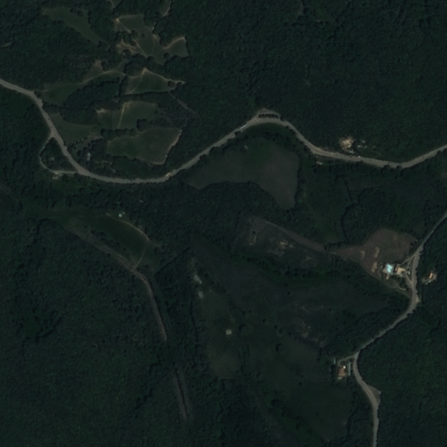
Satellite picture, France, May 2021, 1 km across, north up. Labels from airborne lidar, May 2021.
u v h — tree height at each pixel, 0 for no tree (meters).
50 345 21
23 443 17
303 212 15
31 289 14
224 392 18
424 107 11
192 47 15
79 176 13
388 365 14
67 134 0
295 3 20
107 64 11
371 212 11
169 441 13
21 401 18
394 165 0
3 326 21
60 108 10
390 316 16
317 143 9
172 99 13
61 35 9
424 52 19
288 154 0
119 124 0
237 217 9
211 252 0
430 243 13
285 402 6
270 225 0
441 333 20
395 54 17
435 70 16
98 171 15
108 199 14
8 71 7
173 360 7
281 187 0
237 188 8
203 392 8
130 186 14
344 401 6
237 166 0
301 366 0
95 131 0
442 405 18
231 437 19
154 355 17
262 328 0
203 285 0
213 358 0
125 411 16
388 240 0
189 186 13
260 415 11
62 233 17
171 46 0
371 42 16
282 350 16
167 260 9
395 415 9
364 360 12
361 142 11
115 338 20
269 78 8
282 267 11
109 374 11
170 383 16
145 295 14
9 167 18
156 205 9
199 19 12
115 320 21
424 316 21
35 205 0
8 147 20
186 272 15
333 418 0
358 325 14
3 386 16
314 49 18
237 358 0
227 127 9
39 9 12
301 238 0
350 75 13
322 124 8
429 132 9
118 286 22
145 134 0
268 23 16
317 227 16
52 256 20
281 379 0
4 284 20
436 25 19
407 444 9
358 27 14
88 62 9
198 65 13
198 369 20
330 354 11
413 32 19
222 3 12
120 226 0
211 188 11
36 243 16
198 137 7
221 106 10
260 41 13
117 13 10
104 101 14
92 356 17
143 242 0
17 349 19
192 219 6
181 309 14
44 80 11
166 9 0
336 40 17
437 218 12
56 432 12
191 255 17
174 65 17
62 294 17
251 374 10
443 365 17
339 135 12
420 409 8
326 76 21
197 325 16
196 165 7
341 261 9
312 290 0
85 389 14
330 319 0
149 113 0
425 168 17
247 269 0
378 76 16
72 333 16
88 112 14
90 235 0
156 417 13
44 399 19
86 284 16
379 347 14
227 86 13
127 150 0
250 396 15
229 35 15
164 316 17
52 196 15
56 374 14
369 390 0
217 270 0
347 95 8
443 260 11
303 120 11
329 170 12
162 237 12
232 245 19
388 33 17
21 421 15
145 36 8
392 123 6
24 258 24
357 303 0
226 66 18
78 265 15
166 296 6
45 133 0
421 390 13
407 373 12
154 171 16
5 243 18
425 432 11
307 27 17
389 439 10
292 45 14
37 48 11
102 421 16
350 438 11
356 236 14
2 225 18
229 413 17
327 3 18
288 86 11
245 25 11
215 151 17
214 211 8
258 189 12
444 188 11
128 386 17
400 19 15
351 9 15
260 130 0
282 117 9
